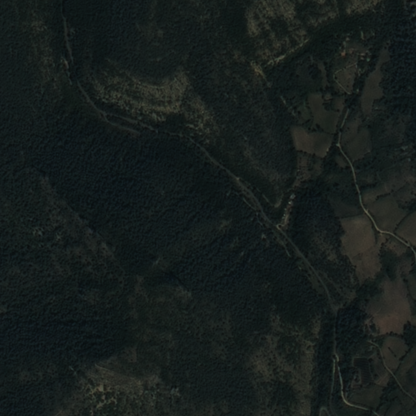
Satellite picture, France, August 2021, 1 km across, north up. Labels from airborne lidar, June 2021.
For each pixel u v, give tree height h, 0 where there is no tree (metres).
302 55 15
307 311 10
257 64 9
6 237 9
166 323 7
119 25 7
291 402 5
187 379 8
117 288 7
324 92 16
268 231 12
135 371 6
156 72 8
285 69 17
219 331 7
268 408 6
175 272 8
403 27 9
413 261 6
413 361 0
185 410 6
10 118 8
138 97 6
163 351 6
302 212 10
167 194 6
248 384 7
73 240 7
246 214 9
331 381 8
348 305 9
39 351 6
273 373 7
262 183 6
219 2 6
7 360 7
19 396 9
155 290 6
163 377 6
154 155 6
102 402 6
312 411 6
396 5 11
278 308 9
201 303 8
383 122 8
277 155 7
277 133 9
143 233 12
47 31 6
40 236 7
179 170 7
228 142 9
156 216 8
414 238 0
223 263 15
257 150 8
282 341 9
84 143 11
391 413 0
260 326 7
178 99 5
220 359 6
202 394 7
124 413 7
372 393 0
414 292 0
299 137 0
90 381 6
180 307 9
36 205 7
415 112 7
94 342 6
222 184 10
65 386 10
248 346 6
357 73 7
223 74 6
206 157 7
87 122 7
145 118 6
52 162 10
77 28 8
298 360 6
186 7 6
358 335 10
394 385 12
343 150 7
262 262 7
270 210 10
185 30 8
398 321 0
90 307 7
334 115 0
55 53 8
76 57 10
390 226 0
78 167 9
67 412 0
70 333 17
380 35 8
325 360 13
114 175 7
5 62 9
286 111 10
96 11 6
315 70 15
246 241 10
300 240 11
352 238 0
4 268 6
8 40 9
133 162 8
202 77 7
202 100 9
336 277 6
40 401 6
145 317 7
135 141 6
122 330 7
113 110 16
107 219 8
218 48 5
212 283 9
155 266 6
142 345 6
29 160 7
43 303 6
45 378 7
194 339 10
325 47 11
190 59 8
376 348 5
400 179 0
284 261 10
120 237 6
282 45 7
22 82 8
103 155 9
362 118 7
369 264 0
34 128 11
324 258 7
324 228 10
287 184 8
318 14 7
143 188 8
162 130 14
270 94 14
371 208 0
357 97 13
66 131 11
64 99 6
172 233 7
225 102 8
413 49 8
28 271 9
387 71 10
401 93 7
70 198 6
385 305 0
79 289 7
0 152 7
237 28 6
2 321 14
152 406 6
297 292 10
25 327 13
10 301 9
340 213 0
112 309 6
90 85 8
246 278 9
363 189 10
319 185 12
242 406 7
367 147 0
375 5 8
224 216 7
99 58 6
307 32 9
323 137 0
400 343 0
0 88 9
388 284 0
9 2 7
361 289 8
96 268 6
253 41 8
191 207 10
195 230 7
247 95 6
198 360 7
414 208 7
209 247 6
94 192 14
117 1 7
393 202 0
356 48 0
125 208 17
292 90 12
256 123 7
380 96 0
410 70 14
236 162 6
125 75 5
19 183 10
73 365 7
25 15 6
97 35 6
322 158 8
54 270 6
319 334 8
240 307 9
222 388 9
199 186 8
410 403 0
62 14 6
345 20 10
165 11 8
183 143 12
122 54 7
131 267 11
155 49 5
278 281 8
